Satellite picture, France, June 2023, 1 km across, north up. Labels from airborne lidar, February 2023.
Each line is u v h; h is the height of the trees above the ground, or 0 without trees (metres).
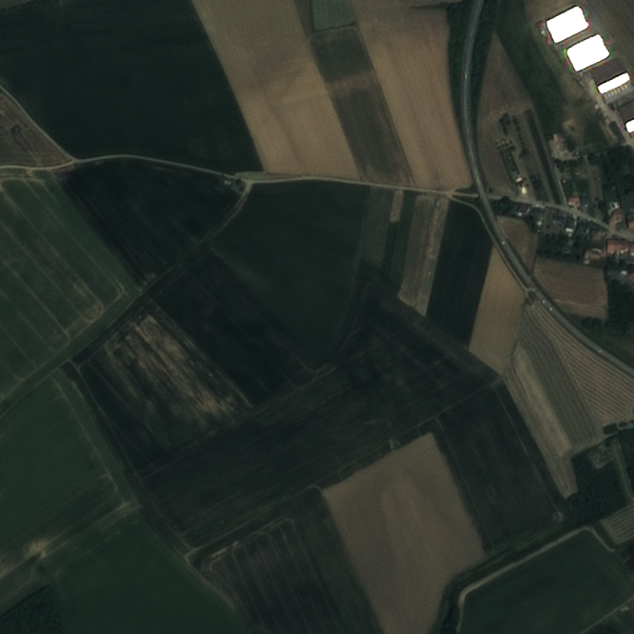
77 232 0
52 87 0
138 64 0
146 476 0
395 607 0
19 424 0
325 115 0
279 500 0
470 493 0
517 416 0
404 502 0
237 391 0
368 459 0
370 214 0
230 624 0
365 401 0
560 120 0
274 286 0
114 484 0
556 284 0
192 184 0
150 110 0
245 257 0
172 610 0
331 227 0
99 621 0
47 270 0
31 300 0
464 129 0
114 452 0
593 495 11
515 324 0
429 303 0
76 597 0
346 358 0
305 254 0
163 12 0
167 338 0
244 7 0
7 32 0
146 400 0
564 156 0
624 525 0
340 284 0
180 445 0
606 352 0
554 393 0
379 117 0
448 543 0
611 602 0
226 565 0
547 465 0
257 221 0
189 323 0
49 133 0
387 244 0
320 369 0
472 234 0
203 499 0
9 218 0
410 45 0
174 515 0
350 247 0
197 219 0
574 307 0
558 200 0
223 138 0
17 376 0
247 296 0
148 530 0
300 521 0
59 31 0
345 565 0
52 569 0
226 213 0
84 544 0
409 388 0
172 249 0
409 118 0
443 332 0
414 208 0
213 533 0
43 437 0
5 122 0
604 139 0
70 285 0
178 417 0
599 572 0
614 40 0
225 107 0
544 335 0
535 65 0
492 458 0
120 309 0
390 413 0
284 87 0
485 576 0
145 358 0
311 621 0
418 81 0
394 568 0
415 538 0
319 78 0
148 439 0
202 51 0
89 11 0
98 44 0
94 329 0
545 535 0
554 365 0
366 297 0
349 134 0
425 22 0
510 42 0
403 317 0
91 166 0
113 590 0
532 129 0
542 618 0
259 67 0
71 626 0
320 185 0
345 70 0
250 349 0
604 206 8
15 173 0
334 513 0
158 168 0
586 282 0
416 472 0
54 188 0
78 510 0
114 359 0
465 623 0
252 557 0
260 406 0
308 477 0
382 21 0
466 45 0
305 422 0
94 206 0
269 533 0
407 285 0
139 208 0
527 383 0
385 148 0
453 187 0
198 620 0
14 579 0
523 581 0
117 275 0
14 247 0
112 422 0
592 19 0
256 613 0
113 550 0
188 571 0
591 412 0
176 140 0
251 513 0
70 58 0
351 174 0
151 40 0
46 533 0
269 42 0
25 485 0
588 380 0
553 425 0
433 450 0
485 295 0
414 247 0
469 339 0
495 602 0
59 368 0
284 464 0
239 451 0
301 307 0
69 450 0
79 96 0
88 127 0
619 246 0
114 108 0
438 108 0
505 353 0
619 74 0
